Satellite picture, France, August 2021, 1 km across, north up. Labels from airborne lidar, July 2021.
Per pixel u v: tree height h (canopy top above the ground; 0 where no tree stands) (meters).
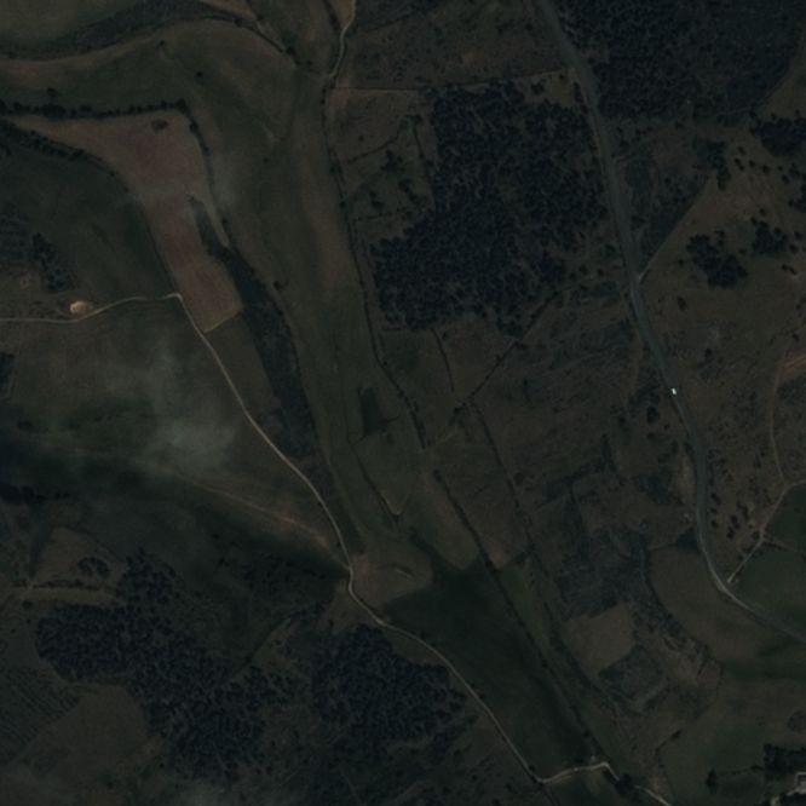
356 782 0
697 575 0
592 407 0
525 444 0
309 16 0
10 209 0
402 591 0
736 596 0
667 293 0
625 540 0
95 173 0
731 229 0
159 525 0
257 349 0
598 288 0
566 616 0
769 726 0
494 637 0
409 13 0
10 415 0
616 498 0
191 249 0
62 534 0
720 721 0
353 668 17
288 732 0
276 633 0
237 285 0
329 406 0
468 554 0
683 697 0
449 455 0
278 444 0
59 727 0
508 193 0
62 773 0
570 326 0
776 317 0
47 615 0
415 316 12
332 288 0
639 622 0
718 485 0
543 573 0
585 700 0
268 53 0
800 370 0
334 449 0
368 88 0
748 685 0
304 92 0
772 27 0
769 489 0
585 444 0
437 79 0
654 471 0
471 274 17
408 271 16
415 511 0
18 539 0
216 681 15
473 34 0
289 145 0
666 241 0
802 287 0
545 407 0
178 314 0
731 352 0
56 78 0
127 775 0
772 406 0
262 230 0
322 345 0
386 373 0
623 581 0
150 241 0
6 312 0
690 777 0
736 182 0
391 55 0
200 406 0
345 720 17
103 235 0
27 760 0
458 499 0
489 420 0
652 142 0
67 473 0
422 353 0
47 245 10
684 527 0
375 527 0
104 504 0
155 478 0
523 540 0
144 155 0
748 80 0
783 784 0
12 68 0
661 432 0
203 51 0
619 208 0
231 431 0
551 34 0
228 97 0
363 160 0
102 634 16
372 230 0
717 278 12
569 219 19
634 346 0
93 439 0
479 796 0
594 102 0
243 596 0
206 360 0
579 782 0
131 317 0
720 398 0
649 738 0
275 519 0
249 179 0
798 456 0
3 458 0
